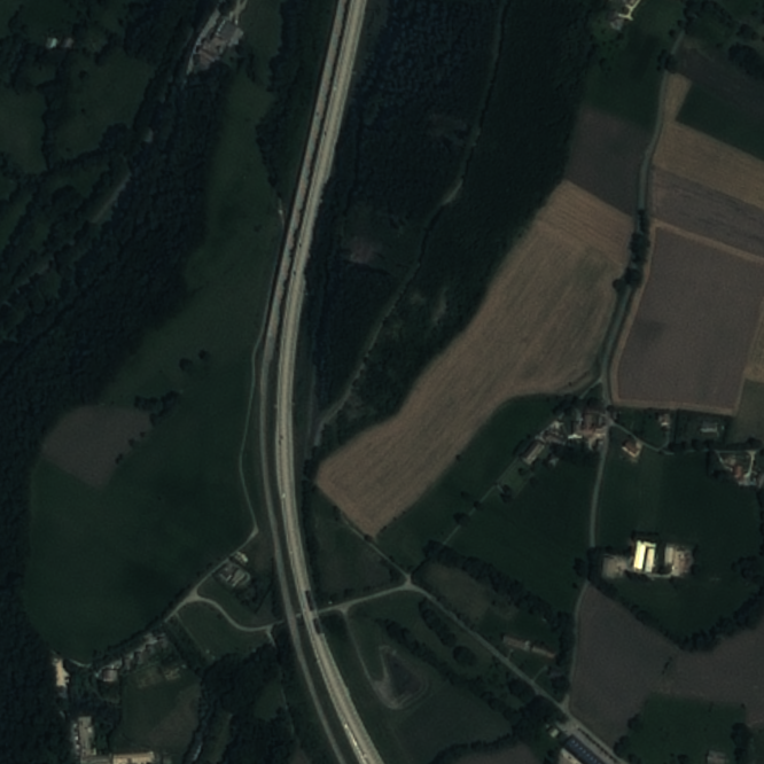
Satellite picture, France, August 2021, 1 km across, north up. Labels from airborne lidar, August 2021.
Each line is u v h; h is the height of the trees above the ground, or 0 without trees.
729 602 0
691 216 0
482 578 17
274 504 0
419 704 0
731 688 0
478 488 0
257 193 0
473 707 0
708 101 0
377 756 0
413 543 0
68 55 21
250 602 9
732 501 0
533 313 0
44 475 0
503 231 12
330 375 17
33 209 19
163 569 0
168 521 0
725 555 0
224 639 0
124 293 26
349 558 0
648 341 0
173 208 25
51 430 17
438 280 12
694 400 0
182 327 0
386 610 0
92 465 0
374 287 25
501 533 0
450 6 17
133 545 0
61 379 27
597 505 0
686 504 0
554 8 17
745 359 0
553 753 14
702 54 0
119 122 0
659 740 0
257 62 9
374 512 0
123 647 8
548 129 21
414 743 0
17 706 28
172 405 15
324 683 0
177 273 25
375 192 24
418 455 0
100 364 31
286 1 0
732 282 0
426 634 0
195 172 14
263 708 0
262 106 0
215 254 0
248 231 0
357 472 0
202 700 10
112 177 17
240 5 0
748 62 27
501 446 0
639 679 0
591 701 0
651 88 0
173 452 0
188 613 0
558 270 0
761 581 17
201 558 0
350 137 12
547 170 16
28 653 22
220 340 0
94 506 0
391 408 15
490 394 0
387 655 0
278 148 16
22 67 18
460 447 0
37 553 0
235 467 0
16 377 23
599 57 22
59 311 16
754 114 0
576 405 16
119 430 0
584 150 0
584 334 0
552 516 0
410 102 29
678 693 0
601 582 17
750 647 0
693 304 0
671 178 0
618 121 0
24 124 0
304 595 0
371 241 0
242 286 0
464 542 0
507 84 15
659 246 0
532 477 7
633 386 0
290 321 0
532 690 10
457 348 0
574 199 0
